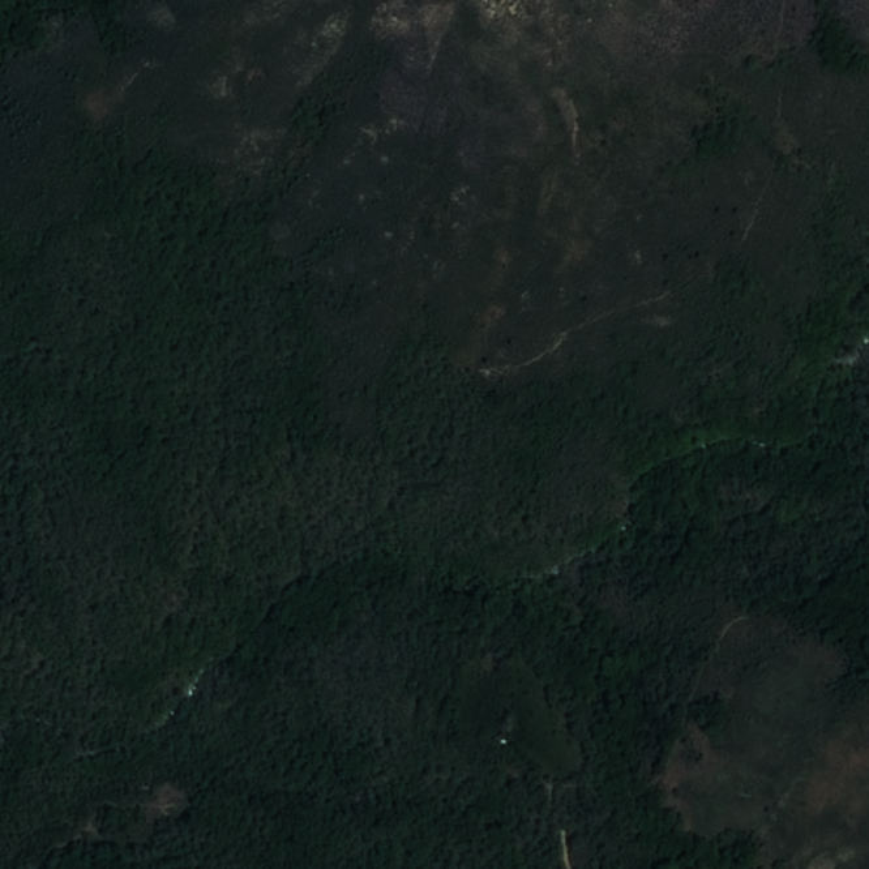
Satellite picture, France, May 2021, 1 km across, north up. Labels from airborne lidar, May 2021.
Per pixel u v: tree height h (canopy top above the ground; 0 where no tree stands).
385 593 26
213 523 15
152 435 22
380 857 17
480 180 0
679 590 5
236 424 23
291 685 16
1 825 11
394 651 20
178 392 23
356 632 26
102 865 19
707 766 0
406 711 19
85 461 24
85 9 10
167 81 0
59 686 20
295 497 24
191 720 21
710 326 13
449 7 0
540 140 0
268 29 0
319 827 17
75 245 26
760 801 0
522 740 6
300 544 15
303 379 15
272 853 11
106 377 21
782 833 0
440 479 15
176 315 18
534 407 12
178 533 14
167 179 23
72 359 28
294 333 16
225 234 22
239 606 25
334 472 23
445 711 14
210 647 24
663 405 7
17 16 17
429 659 22
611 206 0
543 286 0
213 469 24
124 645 15
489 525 15
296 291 15
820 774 0
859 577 22
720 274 8
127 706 16
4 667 16
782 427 24
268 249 10
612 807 15
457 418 15
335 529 24
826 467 27
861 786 0
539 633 18
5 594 21
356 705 22
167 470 21
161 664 13
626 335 6
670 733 19
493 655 19
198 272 28
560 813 15
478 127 0
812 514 19
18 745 15
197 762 15
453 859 17
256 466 13
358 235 8
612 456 15
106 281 31
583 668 28
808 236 7
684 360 7
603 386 6
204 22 0
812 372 19
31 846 7
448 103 0
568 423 13
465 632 19
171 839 14
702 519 23
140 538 18
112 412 24
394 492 24
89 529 22
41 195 6
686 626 6
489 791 25
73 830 7
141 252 28
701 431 26
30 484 20
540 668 21
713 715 14
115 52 10
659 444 28
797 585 12
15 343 22
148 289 27
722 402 17
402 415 26
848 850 0
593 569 13
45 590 17
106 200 13
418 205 0
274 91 0
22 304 23
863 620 15
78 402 19
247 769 21
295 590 21
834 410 18
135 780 13
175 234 23
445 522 20
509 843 20
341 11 0
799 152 9
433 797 22
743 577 6
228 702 11
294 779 13
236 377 20
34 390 18
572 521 11
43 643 17
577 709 18
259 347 20
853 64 12
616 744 20
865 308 23
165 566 20
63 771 8
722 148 10
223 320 20
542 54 0
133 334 16
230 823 13
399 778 15
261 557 17
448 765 15
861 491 12
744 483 12
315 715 20
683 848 20
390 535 21
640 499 13
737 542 18
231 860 8
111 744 15
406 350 12
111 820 20
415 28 0
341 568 19
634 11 0
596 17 0
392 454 20
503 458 18
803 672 0
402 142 0
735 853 16
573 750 0
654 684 9
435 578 14
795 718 0
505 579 14
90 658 18
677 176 7
